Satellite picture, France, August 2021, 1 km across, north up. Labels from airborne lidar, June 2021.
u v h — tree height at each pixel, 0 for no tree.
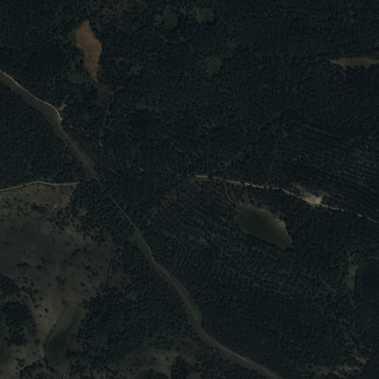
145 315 12
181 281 12
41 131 10
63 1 13
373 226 16
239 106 12
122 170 19
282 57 9
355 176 10
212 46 15
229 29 10
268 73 16
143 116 25
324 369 0
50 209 0
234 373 9
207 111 19
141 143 18
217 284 12
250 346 12
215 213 13
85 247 0
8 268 0
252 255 7
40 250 0
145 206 14
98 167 19
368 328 10
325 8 16
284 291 11
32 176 7
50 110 0
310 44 16
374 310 13
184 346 9
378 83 20
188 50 13
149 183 20
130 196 18
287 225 12
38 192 0
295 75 15
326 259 11
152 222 12
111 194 12
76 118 11
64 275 0
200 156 11
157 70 9
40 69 20
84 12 12
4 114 11
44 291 0
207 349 10
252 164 14
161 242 12
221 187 9
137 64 9
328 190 9
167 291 14
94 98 8
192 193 9
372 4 14
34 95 14
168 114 8
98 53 0
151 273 12
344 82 17
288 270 10
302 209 12
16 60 16
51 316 0
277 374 8
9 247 0
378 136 11
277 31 13
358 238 12
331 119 17
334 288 9
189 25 12
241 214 0
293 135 9
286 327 13
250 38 14
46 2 18
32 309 0
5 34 16
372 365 11
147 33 12
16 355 0
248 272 11
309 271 12
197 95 11
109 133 14
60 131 0
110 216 10
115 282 0
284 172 10
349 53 21
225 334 13
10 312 13
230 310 12
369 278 19
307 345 11
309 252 14
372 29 16
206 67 9
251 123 16
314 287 8
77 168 12
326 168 9
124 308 11
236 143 16
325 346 13
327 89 21
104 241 8
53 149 9
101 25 6
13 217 0
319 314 11
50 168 11
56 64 23
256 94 16
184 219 9
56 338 0
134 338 12
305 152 11
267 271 10
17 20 19
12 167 9
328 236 13
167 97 11
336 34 13
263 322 17
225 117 17
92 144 16
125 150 15
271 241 0
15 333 8
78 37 0
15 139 11
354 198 12
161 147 19
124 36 11
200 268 11
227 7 14
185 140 21
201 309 12
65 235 0
